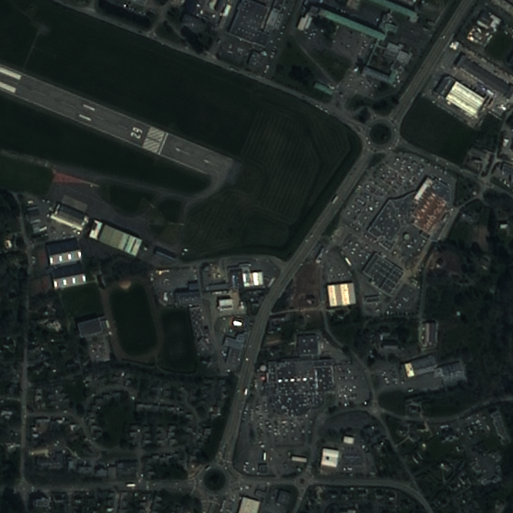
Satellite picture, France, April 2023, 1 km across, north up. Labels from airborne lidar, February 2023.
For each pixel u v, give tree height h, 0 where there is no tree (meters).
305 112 0
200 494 0
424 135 0
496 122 5
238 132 0
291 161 0
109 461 0
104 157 0
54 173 0
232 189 0
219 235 0
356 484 0
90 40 0
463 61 0
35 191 0
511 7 0
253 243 0
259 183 0
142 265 13
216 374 0
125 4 0
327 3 0
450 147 0
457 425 0
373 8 0
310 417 0
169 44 0
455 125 0
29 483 13
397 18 0
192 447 13
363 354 11
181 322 0
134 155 0
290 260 0
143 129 0
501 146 8
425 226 0
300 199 0
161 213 0
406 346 10
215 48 0
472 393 13
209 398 14
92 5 0
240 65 0
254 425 0
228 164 0
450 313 7
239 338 0
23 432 0
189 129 0
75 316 0
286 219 0
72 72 0
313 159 0
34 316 0
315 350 0
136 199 0
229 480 0
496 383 12
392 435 0
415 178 0
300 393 0
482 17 0
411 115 0
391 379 0
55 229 0
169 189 0
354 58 0
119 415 0
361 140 0
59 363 6
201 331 0
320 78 0
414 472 11
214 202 0
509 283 21
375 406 0
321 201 0
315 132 0
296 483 0
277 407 0
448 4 0
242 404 0
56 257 0
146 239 0
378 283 0
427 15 0
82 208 0
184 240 0
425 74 0
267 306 0
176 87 0
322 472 0
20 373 0
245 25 0
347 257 0
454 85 0
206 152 0
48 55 0
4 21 0
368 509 12
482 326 22
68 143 0
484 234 0
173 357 0
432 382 0
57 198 0
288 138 0
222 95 0
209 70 0
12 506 24
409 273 0
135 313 0
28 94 0
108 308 0
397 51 0
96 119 0
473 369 10
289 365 0
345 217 0
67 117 0
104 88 0
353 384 0
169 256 0
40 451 0
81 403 0
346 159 0
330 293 0
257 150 0
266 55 0
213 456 0
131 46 0
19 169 0
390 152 0
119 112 0
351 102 0
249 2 0
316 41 0
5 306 13
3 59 0
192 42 24
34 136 0
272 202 0
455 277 7
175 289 0
